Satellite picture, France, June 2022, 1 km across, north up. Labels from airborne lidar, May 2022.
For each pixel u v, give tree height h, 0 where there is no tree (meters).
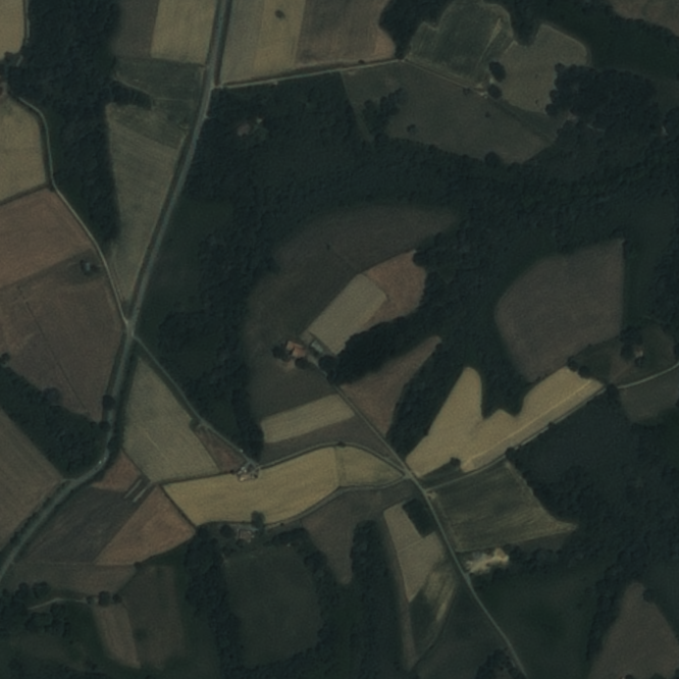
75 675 6
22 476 0
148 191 0
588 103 22
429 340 0
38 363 0
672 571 0
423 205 0
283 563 0
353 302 0
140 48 0
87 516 0
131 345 0
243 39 0
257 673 11
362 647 10
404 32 10
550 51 0
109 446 10
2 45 0
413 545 0
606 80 23
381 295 0
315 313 0
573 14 0
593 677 0
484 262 14
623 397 0
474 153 0
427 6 13
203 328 12
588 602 0
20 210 0
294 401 0
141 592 0
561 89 18
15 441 0
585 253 0
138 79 0
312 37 0
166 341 9
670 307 21
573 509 11
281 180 5
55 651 0
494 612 0
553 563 22
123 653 0
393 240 0
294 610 0
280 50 0
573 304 0
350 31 0
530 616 0
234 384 21
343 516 0
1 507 0
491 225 22
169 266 0
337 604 16
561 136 11
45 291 0
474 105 0
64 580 0
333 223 0
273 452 0
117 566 0
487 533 0
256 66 0
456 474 0
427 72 0
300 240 0
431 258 16
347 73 0
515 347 0
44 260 0
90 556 0
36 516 10
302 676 6
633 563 19
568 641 0
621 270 0
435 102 0
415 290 0
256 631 0
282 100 11
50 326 0
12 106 0
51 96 7
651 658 0
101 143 10
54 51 18
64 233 0
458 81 0
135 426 0
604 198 12
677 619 0
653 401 0
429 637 0
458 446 0
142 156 0
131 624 0
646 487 6
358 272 0
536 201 12
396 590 0
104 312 0
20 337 0
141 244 0
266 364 0
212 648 0
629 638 0
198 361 0
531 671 0
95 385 0
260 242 7
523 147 0
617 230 9
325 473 0
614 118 19
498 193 16
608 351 0
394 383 0
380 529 0
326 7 0
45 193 0
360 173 6
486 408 6
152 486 0
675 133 20
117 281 0
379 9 0
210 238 11
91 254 0
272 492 0
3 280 0
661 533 14
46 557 0
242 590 0
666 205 0
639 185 7
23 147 0
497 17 0
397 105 15
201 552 19
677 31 0
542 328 0
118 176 0
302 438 0
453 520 0
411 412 18
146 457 0
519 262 0
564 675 0
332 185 6
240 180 25
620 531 9
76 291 0
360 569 12
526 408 0
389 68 0
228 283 19
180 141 0
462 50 0
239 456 0
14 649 0
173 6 0
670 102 0
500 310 0
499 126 0
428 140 0
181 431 0
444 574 0
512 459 10
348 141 10
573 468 9
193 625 0
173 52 0
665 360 0
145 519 0
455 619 0
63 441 15
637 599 0
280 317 0
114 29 6
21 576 0
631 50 0
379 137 17
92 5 7
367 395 0
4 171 0
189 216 0
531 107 0
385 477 0
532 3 7
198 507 0
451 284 9
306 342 0
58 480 0
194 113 0
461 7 0
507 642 0
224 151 26
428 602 0
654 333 0
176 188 0
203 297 10
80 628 0
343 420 0
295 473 0
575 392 0
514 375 10
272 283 0
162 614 0
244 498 0
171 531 0
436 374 8
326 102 8
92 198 11
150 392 0
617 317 0
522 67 0
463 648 0
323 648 19
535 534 0
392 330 17
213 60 0
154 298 0
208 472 0
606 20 0
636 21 8
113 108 0
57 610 18
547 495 13
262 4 0
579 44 0
